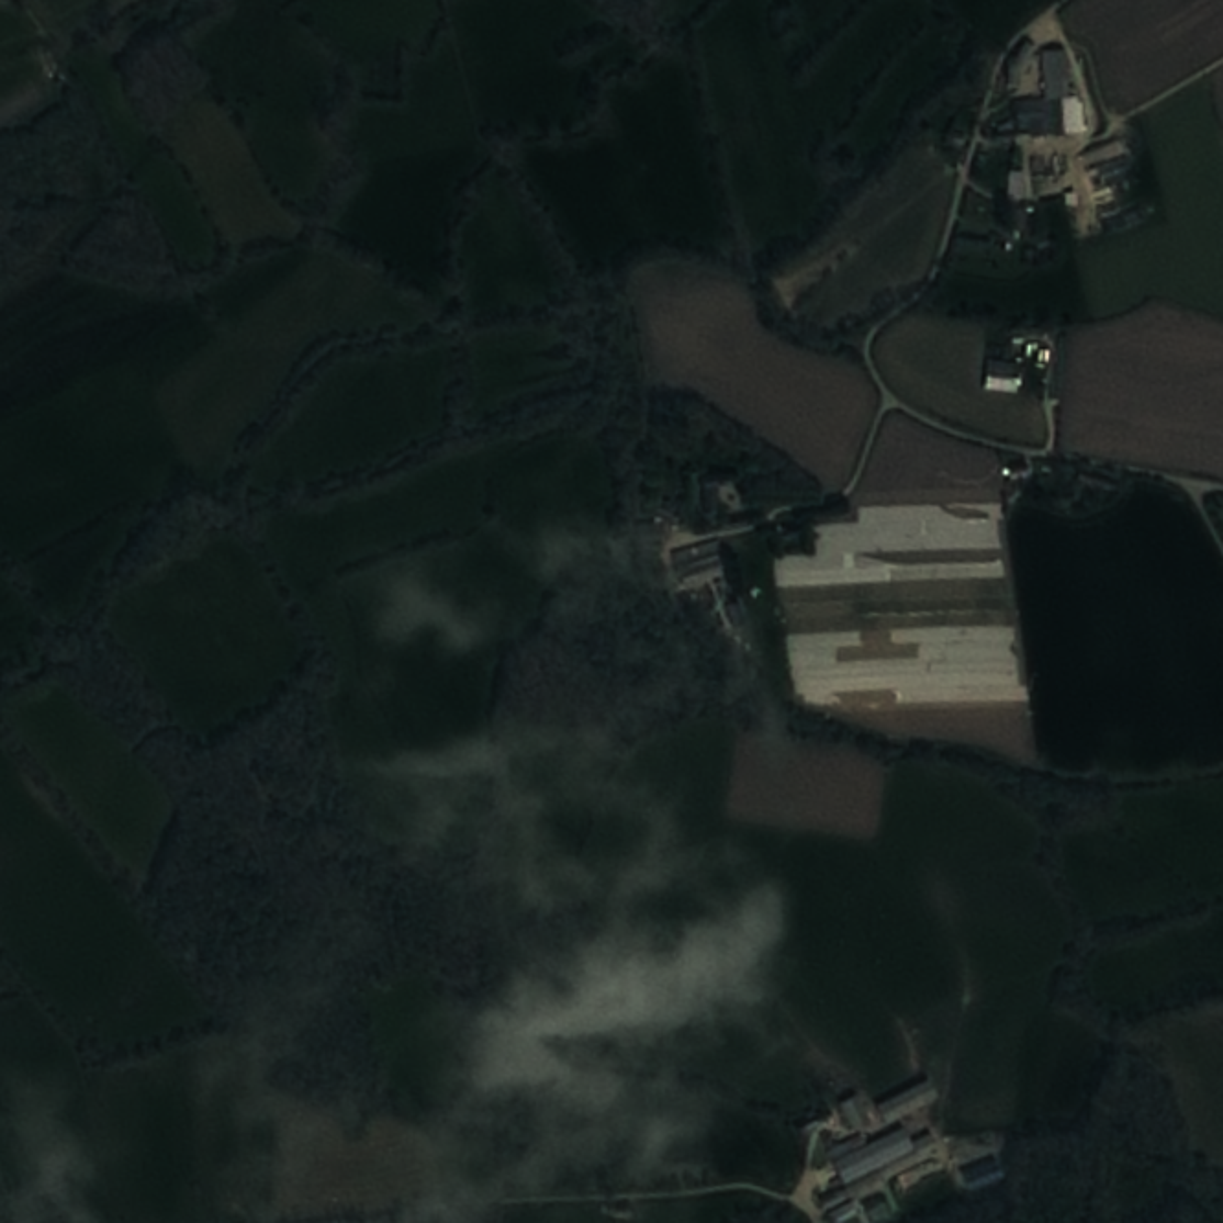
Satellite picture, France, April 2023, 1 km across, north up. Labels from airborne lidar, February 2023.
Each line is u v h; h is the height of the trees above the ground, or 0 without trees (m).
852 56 0
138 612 0
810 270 0
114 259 18
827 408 0
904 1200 0
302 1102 10
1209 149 0
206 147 0
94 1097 0
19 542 0
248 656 0
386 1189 0
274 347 0
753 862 0
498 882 14
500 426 7
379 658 0
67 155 8
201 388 0
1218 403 0
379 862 11
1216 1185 13
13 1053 0
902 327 0
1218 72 0
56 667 14
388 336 7
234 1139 0
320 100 0
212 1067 0
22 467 0
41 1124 0
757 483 14
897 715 0
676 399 14
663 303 0
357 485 12
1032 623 0
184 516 18
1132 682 0
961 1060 0
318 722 16
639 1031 0
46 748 0
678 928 0
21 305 0
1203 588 0
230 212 0
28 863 0
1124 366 0
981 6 0
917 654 0
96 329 0
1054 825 13
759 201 0
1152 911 0
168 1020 0
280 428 6
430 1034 0
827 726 6
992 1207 17
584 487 0
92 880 0
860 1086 0
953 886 0
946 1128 0
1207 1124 0
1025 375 0
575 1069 0
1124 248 0
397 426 0
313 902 21
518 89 0
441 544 8
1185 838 0
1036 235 12
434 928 9
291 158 0
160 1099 0
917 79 0
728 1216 0
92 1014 0
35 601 7
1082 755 0
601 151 0
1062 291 0
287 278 0
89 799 0
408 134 0
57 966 0
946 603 0
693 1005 0
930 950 0
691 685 16
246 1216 0
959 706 0
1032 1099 0
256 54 0
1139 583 0
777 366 0
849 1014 0
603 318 8
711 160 11
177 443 0
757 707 21
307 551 0
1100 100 0
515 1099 15
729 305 0
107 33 29
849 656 0
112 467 0
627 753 10
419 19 0
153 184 0
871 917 0
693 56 14
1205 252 0
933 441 0
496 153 17
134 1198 0
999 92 0
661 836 0
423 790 0
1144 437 0
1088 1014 13
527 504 0
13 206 12
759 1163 0
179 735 10
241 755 19
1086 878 0
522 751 0
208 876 18
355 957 11
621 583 7
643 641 15
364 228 0
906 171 0
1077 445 0
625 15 28
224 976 19
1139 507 0
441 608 0
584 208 0
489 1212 14
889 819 0
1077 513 7
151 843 0
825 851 0
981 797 0
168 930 18
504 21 0
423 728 0
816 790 0
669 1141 0
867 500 0
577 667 22
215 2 25
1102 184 0
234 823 18
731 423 8
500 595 0
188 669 0
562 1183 0
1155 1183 0
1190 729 0
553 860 0
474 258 0
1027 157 0
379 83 0
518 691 21
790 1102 0
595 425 14
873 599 0
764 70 0
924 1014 0
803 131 0
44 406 0
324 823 13
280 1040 20
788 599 0
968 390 0
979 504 0
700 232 0
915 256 0
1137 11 0
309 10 0
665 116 0
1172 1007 13
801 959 0
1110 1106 18
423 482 0
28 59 0
